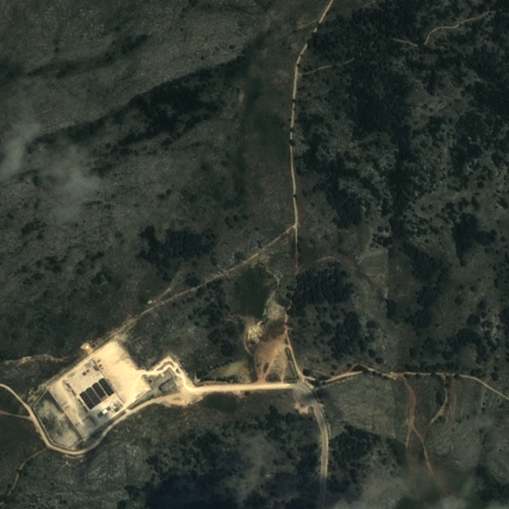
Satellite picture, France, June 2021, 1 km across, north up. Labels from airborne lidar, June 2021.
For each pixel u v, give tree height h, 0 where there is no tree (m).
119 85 0
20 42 0
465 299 0
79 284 0
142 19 0
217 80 0
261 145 0
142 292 0
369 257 0
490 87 9
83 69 0
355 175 6
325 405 0
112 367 0
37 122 0
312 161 12
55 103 0
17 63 0
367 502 0
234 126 0
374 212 0
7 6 0
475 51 8
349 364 7
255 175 0
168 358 0
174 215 0
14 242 0
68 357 0
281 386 0
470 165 8
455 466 0
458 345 13
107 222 0
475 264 0
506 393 0
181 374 0
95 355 0
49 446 0
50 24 0
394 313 11
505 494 10
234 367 0
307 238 0
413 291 0
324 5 0
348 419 0
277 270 0
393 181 10
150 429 0
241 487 0
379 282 0
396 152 6
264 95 0
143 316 0
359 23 13
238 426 6
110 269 0
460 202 7
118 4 0
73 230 0
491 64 10
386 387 0
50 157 0
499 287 8
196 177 0
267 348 0
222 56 0
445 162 0
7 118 0
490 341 6
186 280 7
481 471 11
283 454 0
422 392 0
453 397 0
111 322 0
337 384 0
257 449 0
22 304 0
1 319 0
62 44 0
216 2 0
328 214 0
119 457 0
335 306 6
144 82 0
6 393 0
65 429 0
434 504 0
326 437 0
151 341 0
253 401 0
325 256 0
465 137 7
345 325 11
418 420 0
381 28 12
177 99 10
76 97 0
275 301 0
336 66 10
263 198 0
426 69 7
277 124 0
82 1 0
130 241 0
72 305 0
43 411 0
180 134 6
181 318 0
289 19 0
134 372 0
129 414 0
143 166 0
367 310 0
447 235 0
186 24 0
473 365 0
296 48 0
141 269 0
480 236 11
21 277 0
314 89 0
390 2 7
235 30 0
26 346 0
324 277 7
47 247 0
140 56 0
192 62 0
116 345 0
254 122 0
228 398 0
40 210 0
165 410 0
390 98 12
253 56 0
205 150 0
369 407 0
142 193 0
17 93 0
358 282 0
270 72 0
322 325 10
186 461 6
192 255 9
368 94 9
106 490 0
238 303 0
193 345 0
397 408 0
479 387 0
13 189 0
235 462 0
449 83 0
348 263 0
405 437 0
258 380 0
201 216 0
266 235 0
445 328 0
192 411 0
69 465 0
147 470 0
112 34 0
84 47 0
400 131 10
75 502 0
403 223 8
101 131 0
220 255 0
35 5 0
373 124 7
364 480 0
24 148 6
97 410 0
